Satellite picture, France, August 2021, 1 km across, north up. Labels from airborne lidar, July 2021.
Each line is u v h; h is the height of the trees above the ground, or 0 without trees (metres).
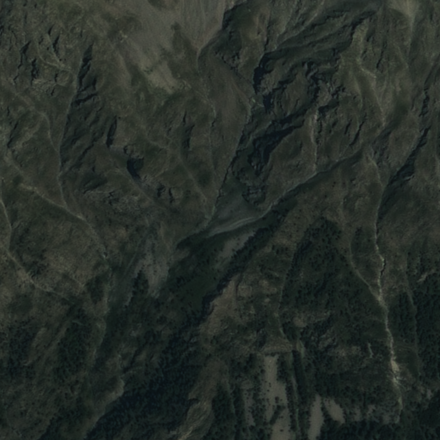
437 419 14
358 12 0
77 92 0
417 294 18
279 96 0
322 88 0
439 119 0
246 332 8
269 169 0
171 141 0
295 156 0
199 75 0
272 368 0
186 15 0
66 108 0
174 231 0
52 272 0
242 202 0
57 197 0
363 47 0
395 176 0
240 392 20
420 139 0
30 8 0
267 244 0
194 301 0
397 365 0
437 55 0
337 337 6
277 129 0
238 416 21
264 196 0
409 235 0
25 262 8
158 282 0
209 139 0
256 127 0
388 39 0
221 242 0
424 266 9
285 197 0
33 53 0
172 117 0
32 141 0
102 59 0
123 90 0
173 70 0
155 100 0
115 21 0
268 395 0
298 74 0
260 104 0
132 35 0
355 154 0
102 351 0
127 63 0
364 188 0
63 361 9
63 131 0
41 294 0
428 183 0
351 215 0
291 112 0
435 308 27
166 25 0
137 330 0
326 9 0
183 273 0
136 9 0
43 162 0
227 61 0
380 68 0
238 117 0
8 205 0
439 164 0
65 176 0
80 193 0
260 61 0
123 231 0
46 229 0
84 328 15
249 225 0
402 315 9
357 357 9
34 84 0
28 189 0
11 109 0
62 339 9
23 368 9
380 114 0
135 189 0
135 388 6
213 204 0
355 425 6
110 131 0
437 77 0
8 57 0
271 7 0
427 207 0
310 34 0
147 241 0
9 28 0
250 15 0
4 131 0
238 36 0
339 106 0
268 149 0
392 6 0
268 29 0
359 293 11
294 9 0
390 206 0
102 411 0
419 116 0
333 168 0
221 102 0
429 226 0
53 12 0
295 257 10
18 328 6
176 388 24
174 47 0
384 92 0
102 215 0
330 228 12
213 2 0
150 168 0
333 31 0
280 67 0
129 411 16
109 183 0
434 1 0
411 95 0
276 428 0
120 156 0
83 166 0
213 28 0
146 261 0
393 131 0
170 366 25
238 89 0
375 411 14
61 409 9
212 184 0
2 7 0
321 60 0
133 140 0
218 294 0
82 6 0
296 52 0
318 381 13
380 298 0
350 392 25
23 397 0
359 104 0
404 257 0
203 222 0
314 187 0
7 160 0
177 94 0
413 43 0
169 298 0
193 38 0
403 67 0
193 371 24
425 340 20
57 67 0
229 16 0
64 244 0
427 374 14
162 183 0
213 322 0
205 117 0
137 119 0
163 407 22
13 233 0
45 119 0
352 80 0
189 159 0
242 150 0
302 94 0
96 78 0
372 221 0
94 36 0
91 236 0
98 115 0
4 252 0
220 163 0
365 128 0
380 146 0
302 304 10
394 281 0
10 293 0
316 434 0
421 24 0
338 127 0
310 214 0
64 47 0
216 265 0
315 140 0
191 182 0
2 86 0
